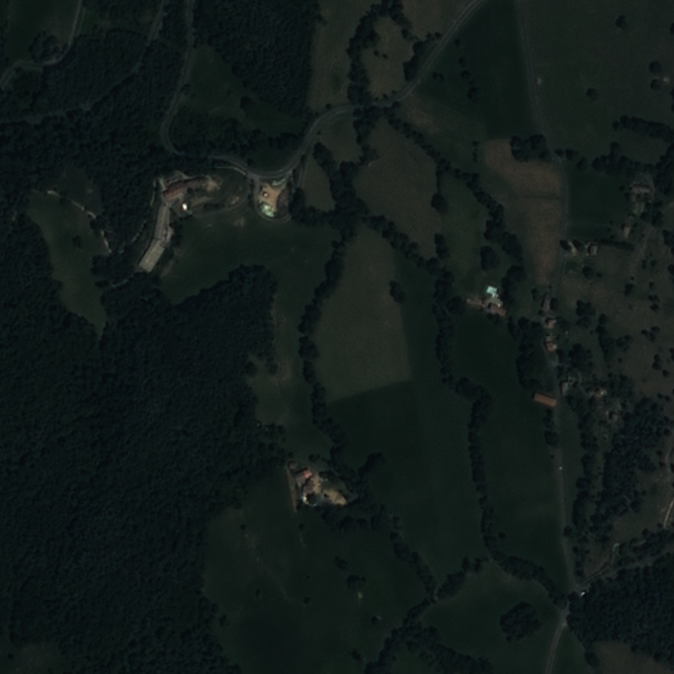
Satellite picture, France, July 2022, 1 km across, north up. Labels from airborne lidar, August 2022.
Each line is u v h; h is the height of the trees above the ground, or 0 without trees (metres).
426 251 0
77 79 25
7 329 23
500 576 0
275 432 12
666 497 0
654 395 0
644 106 0
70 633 16
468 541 0
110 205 16
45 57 13
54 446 26
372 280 0
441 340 17
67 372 19
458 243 0
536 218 0
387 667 22
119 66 10
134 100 25
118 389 14
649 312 0
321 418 22
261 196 0
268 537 0
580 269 0
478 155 13
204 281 0
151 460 20
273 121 0
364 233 0
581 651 0
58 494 20
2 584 16
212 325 15
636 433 9
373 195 0
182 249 0
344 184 19
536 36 0
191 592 12
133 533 21
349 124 0
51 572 18
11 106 17
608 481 20
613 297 0
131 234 16
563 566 0
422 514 0
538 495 0
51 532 21
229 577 0
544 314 8
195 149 23
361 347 0
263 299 17
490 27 0
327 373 0
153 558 18
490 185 0
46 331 21
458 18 0
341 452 19
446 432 0
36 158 24
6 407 16
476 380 0
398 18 25
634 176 17
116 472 17
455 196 0
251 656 0
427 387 0
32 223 18
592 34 0
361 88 25
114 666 17
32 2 0
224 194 0
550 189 0
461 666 28
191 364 20
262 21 16
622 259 0
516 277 18
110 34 11
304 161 12
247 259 0
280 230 0
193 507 28
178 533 23
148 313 23
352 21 0
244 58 10
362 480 18
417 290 0
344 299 0
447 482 0
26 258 21
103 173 20
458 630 0
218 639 11
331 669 0
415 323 0
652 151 0
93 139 23
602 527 7
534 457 0
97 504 21
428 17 0
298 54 18
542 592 0
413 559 12
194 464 26
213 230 0
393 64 0
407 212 0
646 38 0
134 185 16
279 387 0
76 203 0
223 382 22
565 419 0
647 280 0
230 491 19
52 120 19
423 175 0
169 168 13
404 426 0
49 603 13
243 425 25
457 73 0
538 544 0
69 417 17
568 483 0
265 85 16
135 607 18
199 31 21
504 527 0
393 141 0
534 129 0
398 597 0
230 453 26
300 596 0
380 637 0
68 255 0
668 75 0
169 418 25
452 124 0
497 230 27
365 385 0
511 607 0
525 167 0
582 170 11
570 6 0
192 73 0
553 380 0
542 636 0
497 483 0
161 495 29
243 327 16
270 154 0
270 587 0
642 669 0
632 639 14
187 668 19
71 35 0
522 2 0
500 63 0
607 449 0
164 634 30
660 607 13
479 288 0
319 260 0
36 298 24
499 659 0
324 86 0
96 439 16
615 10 0
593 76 0
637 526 0
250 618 0
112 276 8
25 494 17
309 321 20
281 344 0
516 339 19
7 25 8
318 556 0
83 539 15
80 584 8
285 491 0
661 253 0
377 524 13
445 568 0
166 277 0
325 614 0
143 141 22
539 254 0
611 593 19
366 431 0
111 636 16
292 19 16
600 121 0
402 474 0
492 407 15
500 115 0
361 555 0
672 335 0
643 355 0
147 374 20
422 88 0
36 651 0
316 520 0
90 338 26
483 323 0
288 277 0
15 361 17
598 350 0
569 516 0
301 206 18
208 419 24
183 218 7
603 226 0
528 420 0
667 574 23
